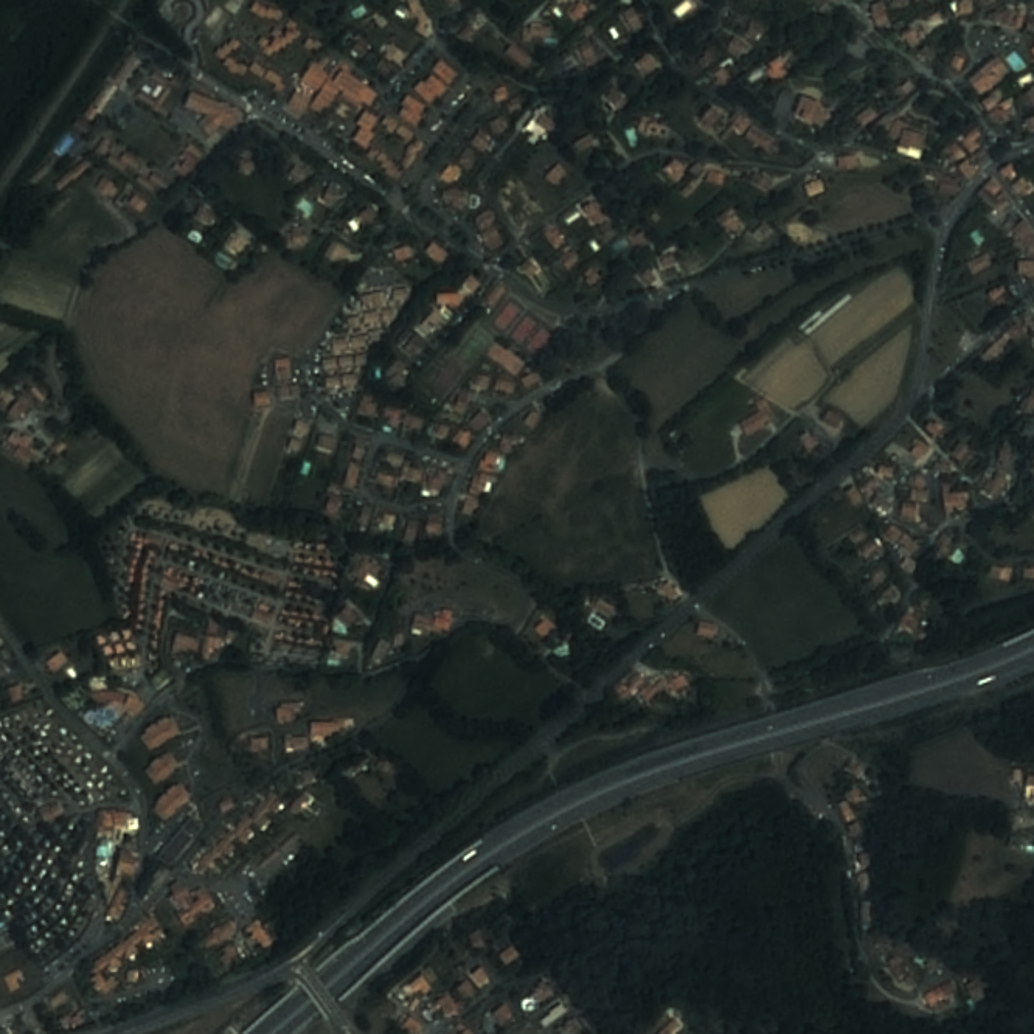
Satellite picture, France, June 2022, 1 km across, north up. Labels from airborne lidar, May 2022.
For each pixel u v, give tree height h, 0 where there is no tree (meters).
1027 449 7
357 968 0
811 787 0
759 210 19
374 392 10
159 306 0
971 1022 19
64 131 0
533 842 0
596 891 22
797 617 0
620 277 17
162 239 0
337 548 19
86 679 15
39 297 0
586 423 0
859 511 0
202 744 0
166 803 0
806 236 0
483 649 0
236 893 0
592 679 16
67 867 12
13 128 13
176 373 0
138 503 9
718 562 9
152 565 7
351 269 12
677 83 9
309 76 0
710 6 20
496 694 0
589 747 0
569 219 0
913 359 0
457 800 24
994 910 18
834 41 17
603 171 18
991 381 14
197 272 0
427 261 9
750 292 0
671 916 26
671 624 0
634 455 0
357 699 0
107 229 0
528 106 8
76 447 0
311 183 14
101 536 8
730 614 0
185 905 0
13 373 7
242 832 0
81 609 0
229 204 8
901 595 6
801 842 18
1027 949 22
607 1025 17
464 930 7
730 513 0
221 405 0
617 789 0
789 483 13
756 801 12
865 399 0
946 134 18
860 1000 22
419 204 9
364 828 13
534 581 24
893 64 9
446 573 0
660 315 14
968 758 0
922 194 17
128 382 0
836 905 9
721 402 0
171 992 15
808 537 14
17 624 0
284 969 0
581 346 25
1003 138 7
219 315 0
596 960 23
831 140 14
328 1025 0
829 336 0
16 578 0
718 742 0
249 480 0
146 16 10
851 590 10
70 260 0
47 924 6
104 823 0
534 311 0
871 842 16
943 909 15
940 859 15
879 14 0
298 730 0
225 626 19
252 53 0
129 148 6
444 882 0
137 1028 0
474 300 9
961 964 20
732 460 0
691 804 0
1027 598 15
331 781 11
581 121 13
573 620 16
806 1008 22
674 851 11
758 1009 21
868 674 8
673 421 7
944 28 7
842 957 15
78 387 16
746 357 12
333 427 0
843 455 11
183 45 12
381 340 9
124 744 0
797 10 0
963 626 17
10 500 0
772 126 12
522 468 0
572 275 9
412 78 9
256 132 14
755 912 31
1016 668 0
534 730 9
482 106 0
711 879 18
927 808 13
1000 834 14
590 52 0
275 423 0
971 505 6
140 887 12
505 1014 0
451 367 0
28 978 0
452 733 14
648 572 0
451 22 12
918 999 0
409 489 9
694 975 15
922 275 12
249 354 0
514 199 0
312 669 14
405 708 8
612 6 8
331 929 0
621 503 0
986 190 0
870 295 0
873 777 13
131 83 8
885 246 0
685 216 0
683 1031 0
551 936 19
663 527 15
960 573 12
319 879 16
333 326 7
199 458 0
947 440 7
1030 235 0
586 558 0
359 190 8
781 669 6
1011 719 20
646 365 0
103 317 0
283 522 24
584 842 0
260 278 0
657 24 10
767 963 26
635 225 6
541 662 12
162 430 0
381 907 7
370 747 18
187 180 10
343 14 13
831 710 0
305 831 0
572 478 0
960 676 0
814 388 0
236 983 0
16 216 11
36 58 14
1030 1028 18
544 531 0
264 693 0
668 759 0
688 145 8
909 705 0
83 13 12
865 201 0
